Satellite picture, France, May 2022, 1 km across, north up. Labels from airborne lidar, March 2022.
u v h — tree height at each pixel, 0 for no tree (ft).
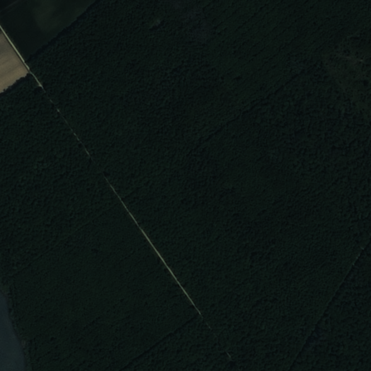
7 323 0
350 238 68
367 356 90
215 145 52
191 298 45
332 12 60
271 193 51
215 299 77
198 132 40
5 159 79
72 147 82
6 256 68
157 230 73
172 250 72
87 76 71
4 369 0
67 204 82
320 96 66
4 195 82
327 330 83
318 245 62
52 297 54
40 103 85
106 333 55
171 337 77
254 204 49
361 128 69
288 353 76
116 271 50
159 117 73
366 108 0
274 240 60
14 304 31
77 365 50
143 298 57
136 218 46
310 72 76
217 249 78
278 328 67
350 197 68
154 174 64
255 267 66
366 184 69
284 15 52
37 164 77
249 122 55
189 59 67
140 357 83
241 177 49
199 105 52
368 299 91
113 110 77
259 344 74
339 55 0
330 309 72
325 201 64
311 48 54
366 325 87
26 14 0
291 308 58
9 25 0
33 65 60
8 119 85
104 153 81
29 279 56
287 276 65
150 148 78
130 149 68
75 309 52
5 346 0
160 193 77
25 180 82
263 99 58
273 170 55
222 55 58
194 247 73
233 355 74
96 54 73
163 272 51
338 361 94
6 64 0
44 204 83
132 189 61
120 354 60
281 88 56
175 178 69
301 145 66
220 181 61
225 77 49
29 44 0
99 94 65
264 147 57
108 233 55
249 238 76
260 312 72
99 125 81
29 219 85
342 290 75
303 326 74
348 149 78
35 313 52
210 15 47
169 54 48
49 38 0
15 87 51
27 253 69
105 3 65
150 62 61
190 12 52
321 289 56
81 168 74
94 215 68
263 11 59
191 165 68
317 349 83
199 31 54
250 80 51
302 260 66
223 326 79
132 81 64
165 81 80
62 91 71
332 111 74
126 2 72
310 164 68
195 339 78
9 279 64
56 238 77
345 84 0
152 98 75
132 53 62
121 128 91
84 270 53
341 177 79
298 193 58
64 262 52
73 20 0
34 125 81
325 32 54
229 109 33
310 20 52
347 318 94
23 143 82
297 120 69
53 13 0
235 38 53
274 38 56
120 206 55
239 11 53
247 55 52
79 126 69
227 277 81
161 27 42
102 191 65
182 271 69
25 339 27
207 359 82
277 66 45
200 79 76
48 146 77
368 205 71
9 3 0
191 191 78
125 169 85
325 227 70
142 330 61
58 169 78
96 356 55
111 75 63
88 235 62
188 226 79
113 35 66
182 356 81
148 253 56
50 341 46
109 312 54
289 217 53
